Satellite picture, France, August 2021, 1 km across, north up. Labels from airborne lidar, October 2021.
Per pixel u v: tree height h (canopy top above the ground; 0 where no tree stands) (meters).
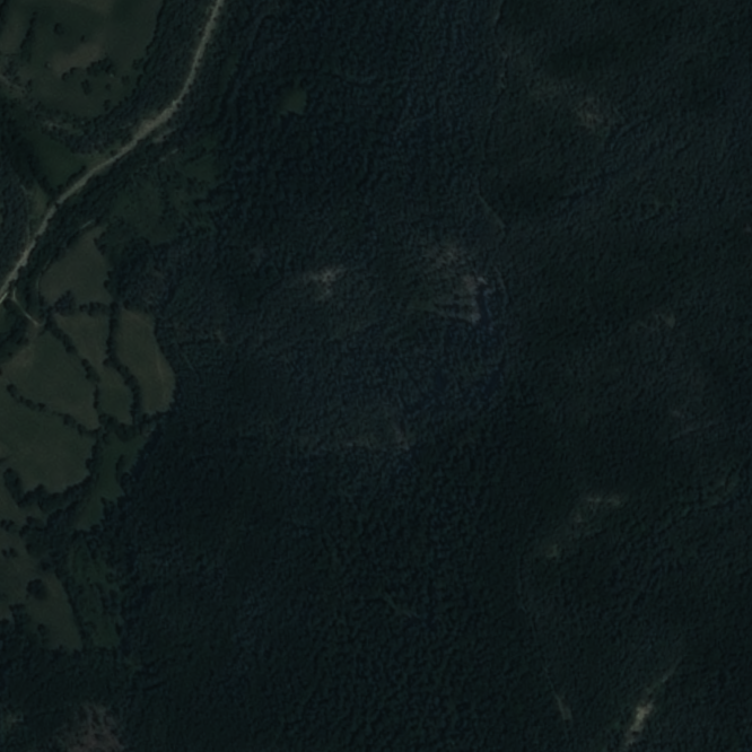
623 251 20
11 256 12
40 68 0
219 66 18
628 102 17
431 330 11
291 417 17
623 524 17
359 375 13
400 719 19
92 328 0
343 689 18
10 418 0
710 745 23
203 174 0
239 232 16
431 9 14
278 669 18
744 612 26
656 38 15
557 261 21
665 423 17
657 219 19
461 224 6
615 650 16
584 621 28
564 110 10
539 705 12
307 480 17
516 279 16
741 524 17
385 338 10
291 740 20
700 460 23
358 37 14
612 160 14
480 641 19
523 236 16
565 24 17
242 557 18
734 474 14
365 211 12
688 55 17
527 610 8
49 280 0
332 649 16
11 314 6
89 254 0
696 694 9
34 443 0
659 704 6
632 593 26
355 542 21
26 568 0
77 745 10
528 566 19
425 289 8
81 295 0
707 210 13
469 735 20
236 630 16
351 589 15
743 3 18
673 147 12
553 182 21
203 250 15
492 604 25
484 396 14
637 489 13
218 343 13
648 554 26
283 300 13
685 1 23
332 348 14
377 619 13
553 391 22
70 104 0
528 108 17
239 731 21
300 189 22
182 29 20
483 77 12
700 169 17
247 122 16
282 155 18
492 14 9
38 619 0
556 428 20
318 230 16
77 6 0
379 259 15
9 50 0
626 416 16
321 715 22
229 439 17
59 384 0
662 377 11
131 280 18
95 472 13
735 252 18
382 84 14
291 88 16
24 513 0
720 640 19
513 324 14
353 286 8
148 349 0
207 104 17
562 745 16
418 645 20
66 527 20
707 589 24
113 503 11
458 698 16
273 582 13
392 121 15
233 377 20
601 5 17
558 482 18
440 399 11
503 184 24
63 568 17
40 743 17
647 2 21
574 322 28
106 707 19
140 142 12
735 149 14
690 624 17
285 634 20
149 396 0
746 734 15
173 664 21
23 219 15
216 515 19
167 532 22
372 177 24
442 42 12
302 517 13
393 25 22
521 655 15
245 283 19
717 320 17
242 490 20
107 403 0
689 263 27
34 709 19
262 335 10
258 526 19
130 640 23
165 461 21
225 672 15
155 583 19
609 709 13
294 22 22
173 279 14
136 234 6
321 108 20
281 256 12
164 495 21
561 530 14
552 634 19
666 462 20
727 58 12
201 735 19
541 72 11
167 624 22
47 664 18
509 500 17
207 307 17
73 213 12
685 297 16
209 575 13
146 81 14
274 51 16
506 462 19
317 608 16
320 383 14
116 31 0
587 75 20
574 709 10
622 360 17
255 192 16
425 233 10
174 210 11
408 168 16
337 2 17
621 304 20
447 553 15
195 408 17
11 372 0
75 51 0
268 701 18
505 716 24
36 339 0
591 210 16
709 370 10
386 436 11
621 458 26
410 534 14
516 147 19
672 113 14
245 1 18
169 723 18
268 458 18
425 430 11
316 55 21
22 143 15
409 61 13
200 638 21
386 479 14
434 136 16
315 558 18
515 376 11
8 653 22
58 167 0
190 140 14
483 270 13
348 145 22
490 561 18
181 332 11
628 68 26
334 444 11
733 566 24
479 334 11
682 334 17
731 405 24
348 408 9
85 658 17
